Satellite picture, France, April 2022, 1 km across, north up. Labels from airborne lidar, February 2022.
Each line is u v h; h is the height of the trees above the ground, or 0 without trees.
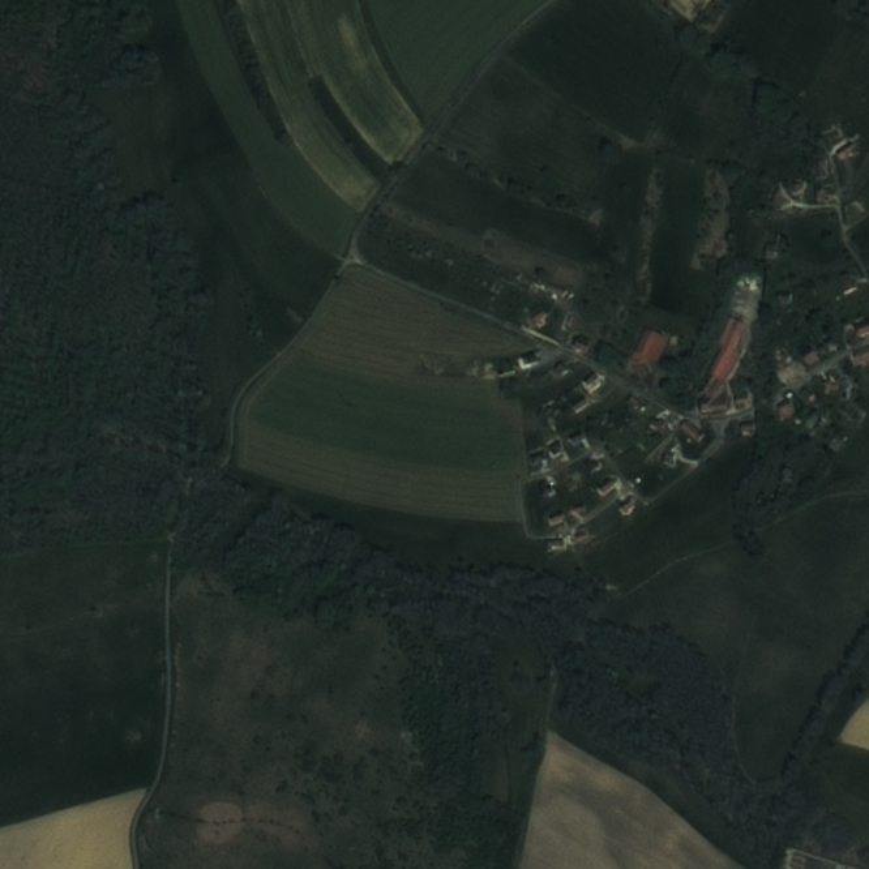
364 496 0
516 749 0
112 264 22
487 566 0
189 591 0
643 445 0
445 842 6
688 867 0
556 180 0
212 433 0
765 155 0
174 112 0
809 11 0
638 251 0
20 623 0
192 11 0
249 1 0
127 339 20
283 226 0
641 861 0
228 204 0
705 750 16
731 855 0
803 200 0
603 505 0
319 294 0
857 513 0
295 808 0
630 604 0
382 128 0
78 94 9
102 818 0
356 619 0
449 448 0
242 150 0
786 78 0
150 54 18
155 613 0
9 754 0
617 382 0
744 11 0
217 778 0
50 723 0
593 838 0
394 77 0
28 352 19
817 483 6
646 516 0
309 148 0
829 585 0
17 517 22
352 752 0
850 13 20
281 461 0
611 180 0
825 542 0
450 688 6
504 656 0
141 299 20
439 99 0
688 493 0
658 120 0
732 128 0
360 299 0
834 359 0
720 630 0
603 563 0
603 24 0
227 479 14
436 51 0
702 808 0
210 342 0
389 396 0
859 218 0
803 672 0
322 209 0
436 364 0
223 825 0
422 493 0
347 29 0
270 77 0
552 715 0
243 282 0
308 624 0
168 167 0
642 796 0
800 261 0
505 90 0
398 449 0
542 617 19
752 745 0
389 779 0
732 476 0
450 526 0
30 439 21
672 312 0
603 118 0
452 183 0
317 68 0
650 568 0
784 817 20
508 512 0
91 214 22
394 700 0
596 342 0
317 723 0
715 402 0
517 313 0
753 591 0
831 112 0
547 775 0
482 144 0
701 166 0
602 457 0
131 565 0
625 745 19
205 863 0
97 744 0
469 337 0
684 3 0
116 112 0
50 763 0
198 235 0
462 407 0
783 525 0
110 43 18
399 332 0
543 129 0
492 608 22
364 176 0
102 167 22
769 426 12
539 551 0
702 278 0
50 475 20
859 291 0
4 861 0
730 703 19
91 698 0
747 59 21
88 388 26
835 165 0
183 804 0
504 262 0
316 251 0
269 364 0
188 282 24
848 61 0
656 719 9
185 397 21
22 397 19
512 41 0
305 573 18
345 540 25
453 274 0
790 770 15
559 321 0
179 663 0
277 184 0
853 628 0
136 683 0
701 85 0
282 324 0
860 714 0
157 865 0
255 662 0
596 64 0
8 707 0
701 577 0
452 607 29
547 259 0
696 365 19
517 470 0
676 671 25
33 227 19
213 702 0
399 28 0
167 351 18
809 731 18
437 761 8
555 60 0
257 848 0
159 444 28
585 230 0
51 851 0
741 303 0
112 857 0
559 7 0
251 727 0
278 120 10
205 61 0
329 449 0
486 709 12
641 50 0
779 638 0
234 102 0
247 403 0
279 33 0
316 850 0
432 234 0
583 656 27
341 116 0
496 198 0
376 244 0
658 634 19
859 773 0
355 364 0
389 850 0
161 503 22
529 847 0
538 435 0
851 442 0
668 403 0
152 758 0
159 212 22
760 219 0
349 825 0
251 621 0
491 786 0
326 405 0
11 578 0
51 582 0
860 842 0
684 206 0
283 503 21
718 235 0
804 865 0
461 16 0
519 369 0
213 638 0
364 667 0
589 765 0
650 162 0
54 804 0
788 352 13
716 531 0
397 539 0
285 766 0
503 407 0
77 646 0
